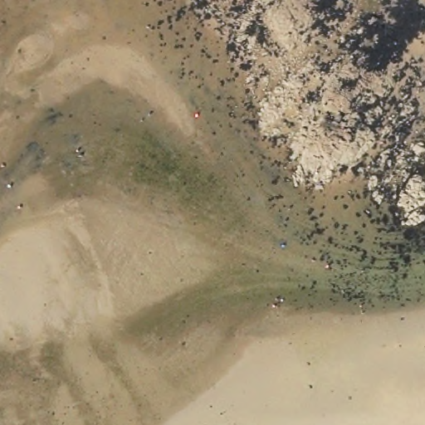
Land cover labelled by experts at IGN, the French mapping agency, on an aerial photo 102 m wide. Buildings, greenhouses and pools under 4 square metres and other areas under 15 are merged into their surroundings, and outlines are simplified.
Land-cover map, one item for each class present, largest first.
<instances>
[{"label":"bare soil","instance_id":"1","mask_svg":"<svg viewBox=\"0 0 425 425\"><path fill-rule=\"evenodd\" d=\"M335 7L342 8L347 15L344 22L330 20L327 23L329 35L324 37L320 35L319 30L312 28V22L322 20L324 13L312 12V0H0V425H425V121L412 126L413 133L417 134L420 141V144L413 146V153L405 154V158L397 156V164L407 163V173L412 174V181L408 184L397 183V188L392 189L388 184L379 186L375 176L367 179L364 178V173H359V176L352 174V166L360 161L362 154L372 148L374 133L357 131L354 141L344 143L340 139L325 136L324 120L327 113L334 115L344 111L352 98L359 101L360 105L374 103L375 98L385 95L388 88H393V96L397 100H405L407 95L402 93L403 86L407 85L413 73L420 76L422 71H425V32L418 33V37L407 46V50L403 51L402 60L388 63L387 70H364V53L350 51V45L354 43L355 35L364 33V28L354 30L352 25L359 22L362 13H379L382 0H337ZM256 13L261 15L264 27L271 33L264 43H257L256 37L246 33V28L251 25Z\"/></svg>","mask_w":425,"mask_h":425},{"label":"herbaceous vegetation","instance_id":"2","mask_svg":"<svg viewBox=\"0 0 425 425\"><path fill-rule=\"evenodd\" d=\"M337 0H312V12L324 13L322 20L312 22V28L319 30L320 35L324 37L329 35L327 23L330 20L344 22L347 15L342 8L335 7ZM354 30L364 28V33L355 35L354 43L350 45V51L364 53V70H387L388 63L402 60L403 51L407 50V46L418 37V33L425 32V0H382L379 13H362L359 22L352 25ZM246 33L256 37L257 43H264L271 33L264 27L261 15L256 13L251 25L246 28ZM402 93L407 95L405 100H397L393 96V88H388L385 95L375 98L374 103L360 105L359 101L352 98L344 111L334 115L327 113L324 120L325 136L340 139L344 143L354 141L357 131L374 133L372 148L362 154L360 161L352 166V174L359 176V173H364V178L367 179L375 176L379 186L388 184L392 189L397 188V183L408 184L412 181V174L407 173V163L397 164V156L405 158V154L413 153V146L420 144V141L417 134L413 133L412 126L425 121V71H422L420 76L413 73L407 85L403 86Z\"/></svg>","mask_w":425,"mask_h":425}]
</instances>
